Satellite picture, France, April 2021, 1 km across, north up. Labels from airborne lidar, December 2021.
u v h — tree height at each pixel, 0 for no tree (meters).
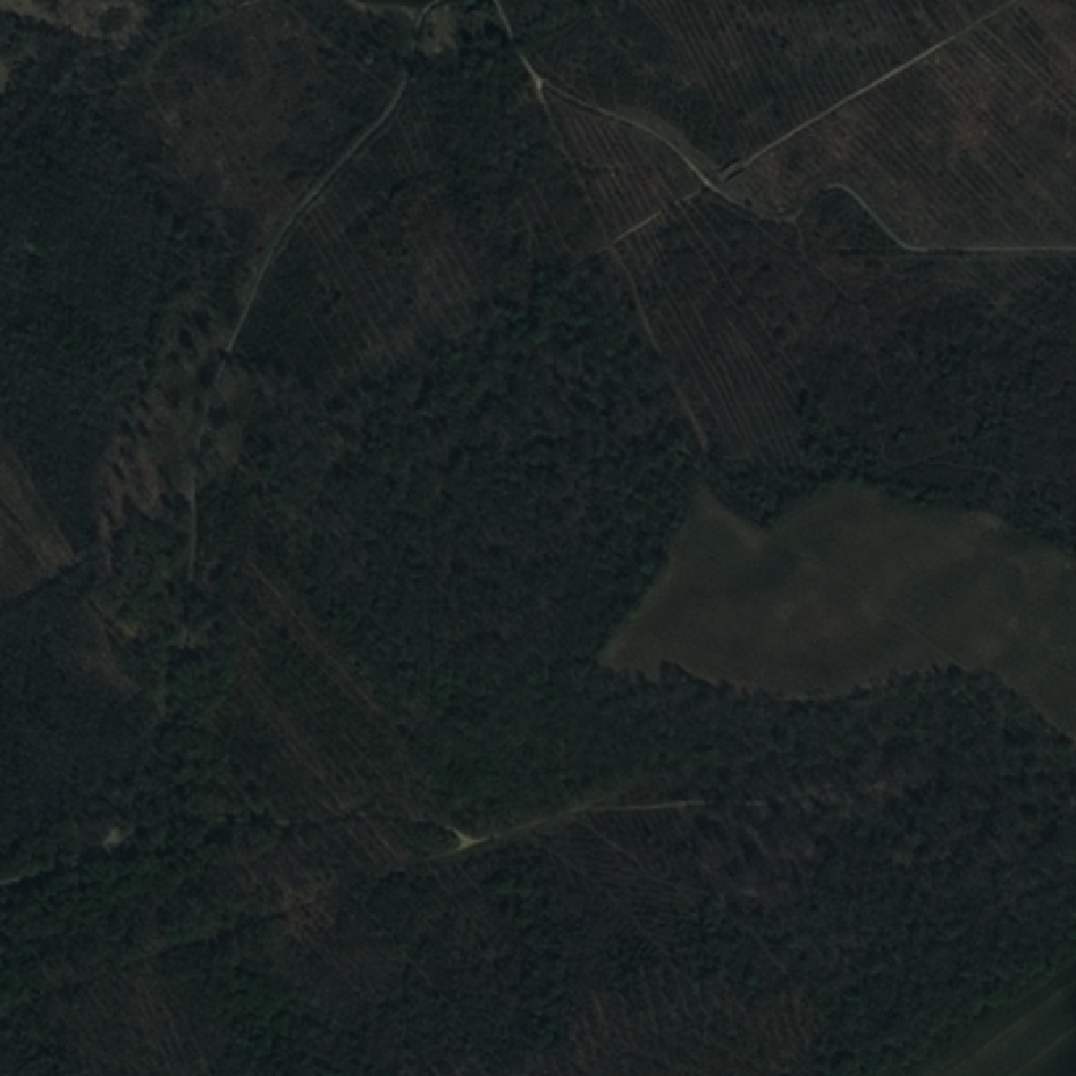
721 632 0
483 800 22
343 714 15
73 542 12
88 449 16
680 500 15
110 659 17
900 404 7
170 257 16
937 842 22
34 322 23
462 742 27
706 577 0
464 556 17
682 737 21
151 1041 17
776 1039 15
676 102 6
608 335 14
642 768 25
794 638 0
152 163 13
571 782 13
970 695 15
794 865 31
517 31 9
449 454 23
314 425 26
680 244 6
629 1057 15
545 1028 14
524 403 27
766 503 8
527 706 23
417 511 18
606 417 6
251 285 0
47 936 17
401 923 12
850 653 0
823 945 18
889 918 13
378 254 6
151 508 28
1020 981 17
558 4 11
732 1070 16
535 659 21
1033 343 7
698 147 7
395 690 24
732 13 10
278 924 22
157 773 19
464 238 6
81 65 27
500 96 8
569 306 18
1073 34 0
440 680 22
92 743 16
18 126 13
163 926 24
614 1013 12
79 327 22
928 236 0
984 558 0
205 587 8
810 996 8
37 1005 16
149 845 25
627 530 18
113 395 26
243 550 14
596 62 5
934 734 21
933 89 0
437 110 10
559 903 10
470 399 15
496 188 7
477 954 7
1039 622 0
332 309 10
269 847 20
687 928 9
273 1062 20
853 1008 16
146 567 23
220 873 19
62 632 15
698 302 9
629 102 7
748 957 9
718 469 20
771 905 17
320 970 12
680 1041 13
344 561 23
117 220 15
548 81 7
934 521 0
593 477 12
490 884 8
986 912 11
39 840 23
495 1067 10
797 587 0
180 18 19
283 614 15
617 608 18
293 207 0
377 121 8
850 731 16
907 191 0
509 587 19
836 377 12
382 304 0
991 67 0
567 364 26
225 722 13
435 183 10
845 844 16
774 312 9
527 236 6
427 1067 12
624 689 12
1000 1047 0
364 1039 11
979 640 0
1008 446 11
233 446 26
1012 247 0
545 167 7
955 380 11
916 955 12
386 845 22
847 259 13
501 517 21
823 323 8
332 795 15
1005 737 9
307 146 0
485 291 0
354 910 12
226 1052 10
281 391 21
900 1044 16
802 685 0
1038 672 0
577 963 6
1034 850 20
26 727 18
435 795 12
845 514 0
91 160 16
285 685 11
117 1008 19
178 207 5
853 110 0
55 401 17
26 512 0
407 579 21
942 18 33
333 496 21
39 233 22
